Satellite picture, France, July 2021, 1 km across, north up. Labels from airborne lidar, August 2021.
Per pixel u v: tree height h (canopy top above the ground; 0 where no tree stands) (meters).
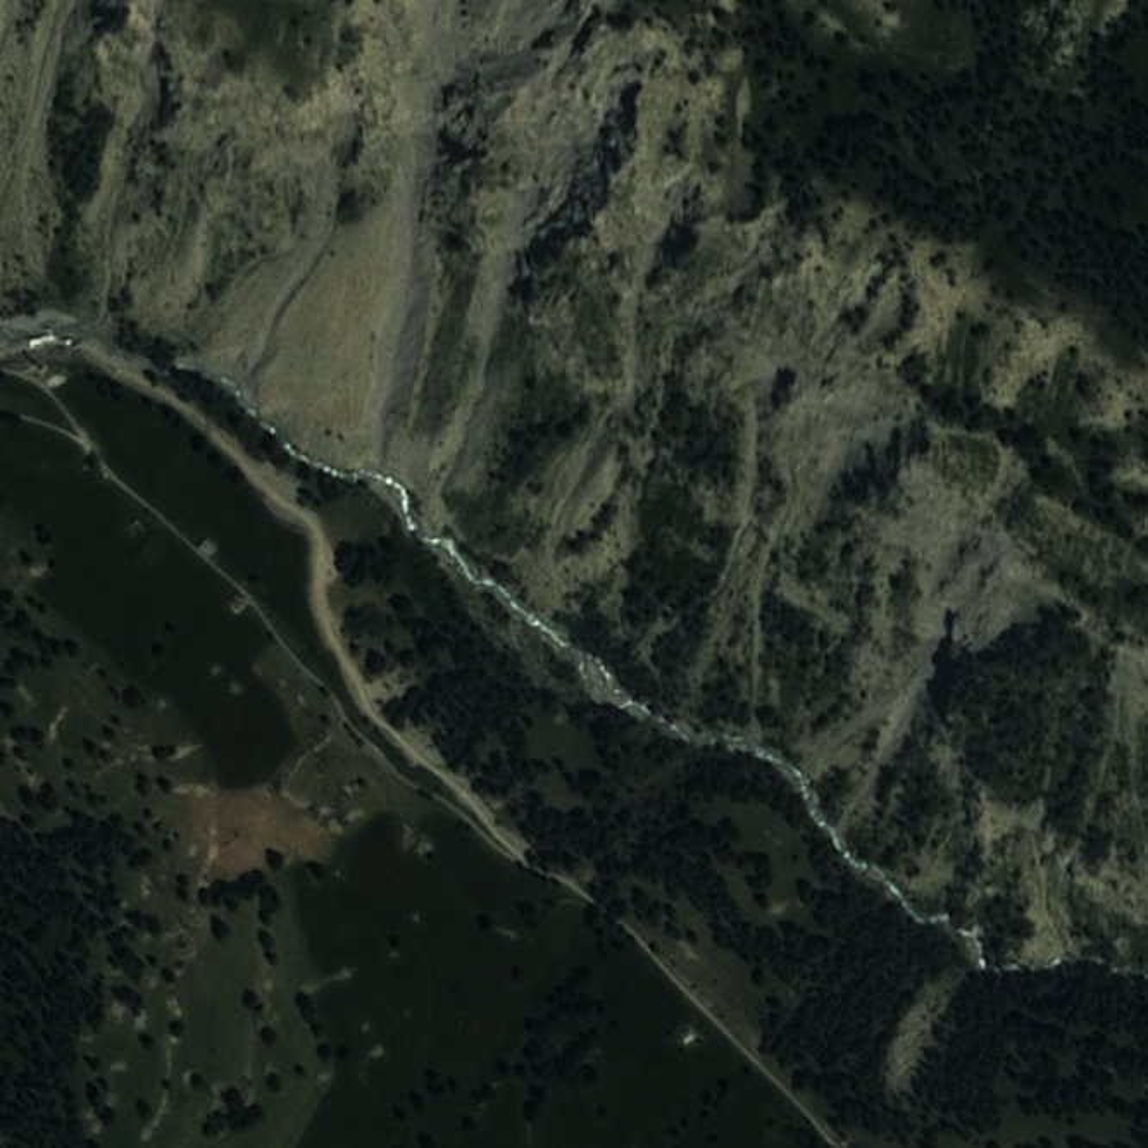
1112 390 0
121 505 0
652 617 18
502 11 0
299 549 0
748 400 0
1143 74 0
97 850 12
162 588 0
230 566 0
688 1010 0
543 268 7
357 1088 0
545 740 0
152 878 0
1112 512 17
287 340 0
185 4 0
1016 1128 0
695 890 21
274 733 0
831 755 0
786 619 13
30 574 0
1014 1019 23
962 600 0
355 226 0
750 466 0
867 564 9
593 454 0
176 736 0
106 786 0
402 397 0
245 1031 0
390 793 0
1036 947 0
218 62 0
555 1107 0
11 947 28
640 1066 0
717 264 0
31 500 0
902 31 0
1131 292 14
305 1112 0
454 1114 0
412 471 0
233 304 0
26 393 0
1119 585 0
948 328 0
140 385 0
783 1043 20
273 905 22
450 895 0
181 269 0
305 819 0
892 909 15
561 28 0
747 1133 0
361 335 0
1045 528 0
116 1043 0
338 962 0
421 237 0
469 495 0
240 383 0
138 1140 0
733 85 0
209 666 0
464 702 20
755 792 18
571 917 0
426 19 0
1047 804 8
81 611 0
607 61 0
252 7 0
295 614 0
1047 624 15
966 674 10
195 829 0
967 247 0
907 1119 13
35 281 0
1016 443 22
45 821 0
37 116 0
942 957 12
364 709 0
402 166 0
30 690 0
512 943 0
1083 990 24
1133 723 0
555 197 0
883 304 0
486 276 0
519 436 20
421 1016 0
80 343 0
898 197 14
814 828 7
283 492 0
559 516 0
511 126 0
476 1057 0
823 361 0
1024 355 0
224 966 0
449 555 0
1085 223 24
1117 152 21
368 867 0
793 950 19
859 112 0
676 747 8
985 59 21
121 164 0
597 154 0
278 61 0
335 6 0
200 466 0
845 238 0
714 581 9
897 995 20
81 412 0
